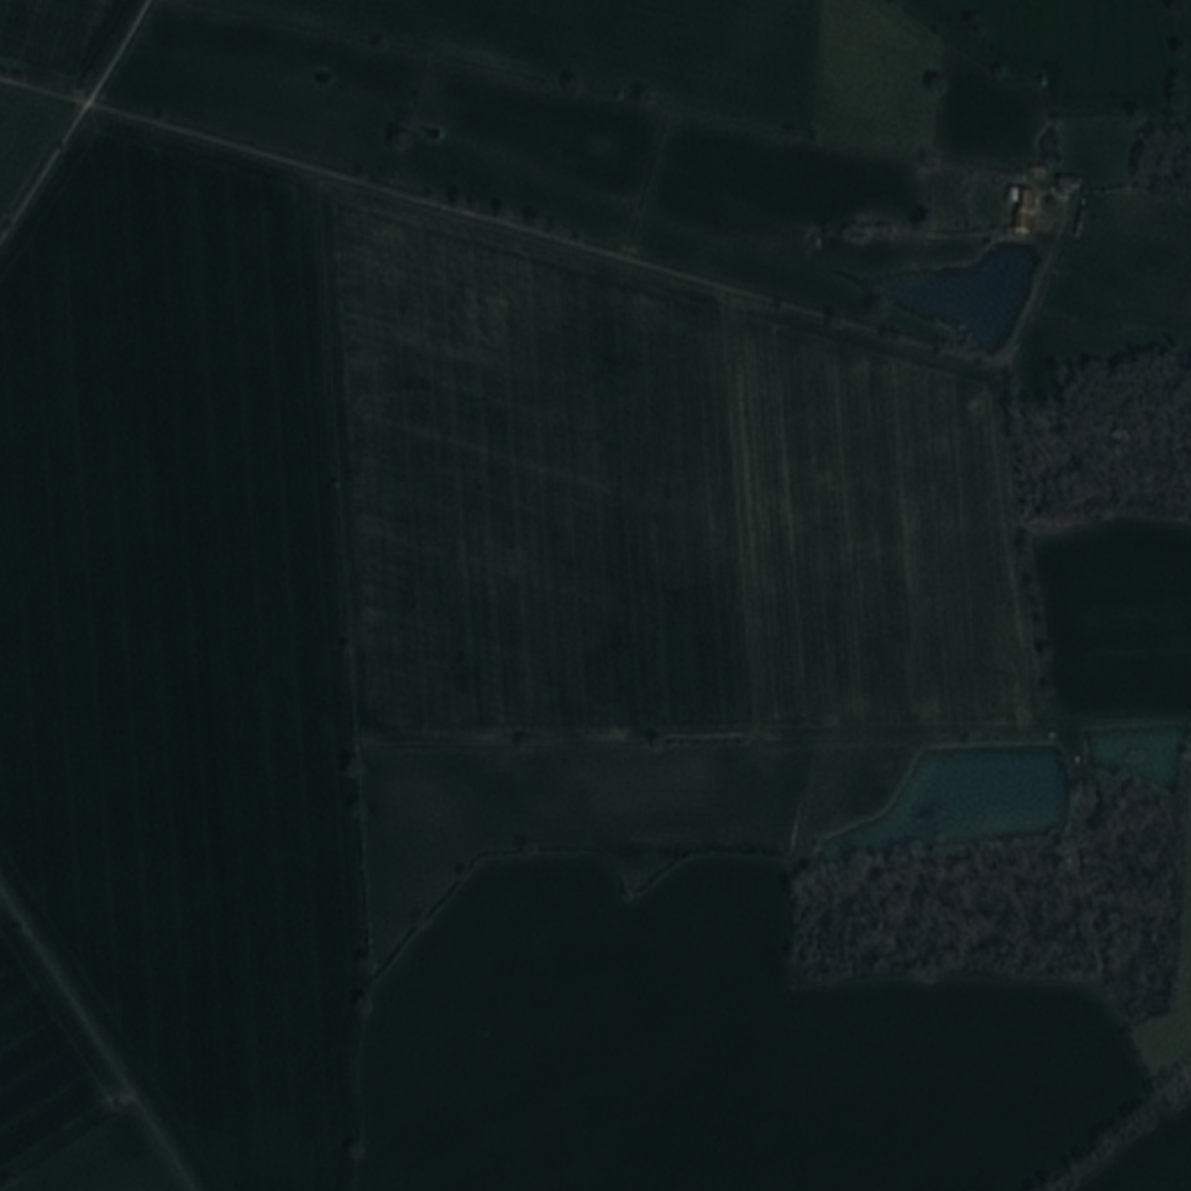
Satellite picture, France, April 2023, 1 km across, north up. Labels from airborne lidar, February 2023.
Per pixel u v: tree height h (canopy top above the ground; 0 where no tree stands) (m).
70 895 0
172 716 0
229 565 0
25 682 0
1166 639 0
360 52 0
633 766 0
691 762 0
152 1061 0
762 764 0
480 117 0
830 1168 0
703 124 0
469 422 0
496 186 0
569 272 0
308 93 0
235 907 0
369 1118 0
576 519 0
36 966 0
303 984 0
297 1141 0
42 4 0
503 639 0
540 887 0
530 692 0
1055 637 0
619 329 0
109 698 0
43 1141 0
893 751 0
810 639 0
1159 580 0
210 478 0
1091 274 0
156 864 0
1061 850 18
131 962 0
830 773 0
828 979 16
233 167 0
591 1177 0
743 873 0
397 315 0
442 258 0
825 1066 0
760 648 0
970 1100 0
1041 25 0
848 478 0
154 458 0
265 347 0
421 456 0
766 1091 0
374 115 0
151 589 0
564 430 0
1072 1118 0
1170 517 14
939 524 0
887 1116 0
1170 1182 0
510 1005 0
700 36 0
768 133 0
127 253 0
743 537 0
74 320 0
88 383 0
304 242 0
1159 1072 0
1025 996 0
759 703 0
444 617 0
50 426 0
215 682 0
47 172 0
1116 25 0
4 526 0
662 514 0
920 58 0
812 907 14
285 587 0
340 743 0
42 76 0
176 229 0
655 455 0
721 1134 0
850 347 0
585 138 0
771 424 0
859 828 0
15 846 0
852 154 0
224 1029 0
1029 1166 0
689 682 0
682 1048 0
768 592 0
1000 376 0
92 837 0
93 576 0
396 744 0
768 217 0
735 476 0
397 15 0
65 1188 0
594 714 0
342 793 0
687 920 0
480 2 0
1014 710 0
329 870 0
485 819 0
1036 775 0
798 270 0
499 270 0
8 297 0
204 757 0
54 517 0
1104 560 0
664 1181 0
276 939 0
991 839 0
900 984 0
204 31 0
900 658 0
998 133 0
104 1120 0
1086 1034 0
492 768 0
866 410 0
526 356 0
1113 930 17
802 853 0
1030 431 20
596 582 0
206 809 0
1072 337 0
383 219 0
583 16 0
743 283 0
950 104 0
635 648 0
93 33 0
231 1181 0
